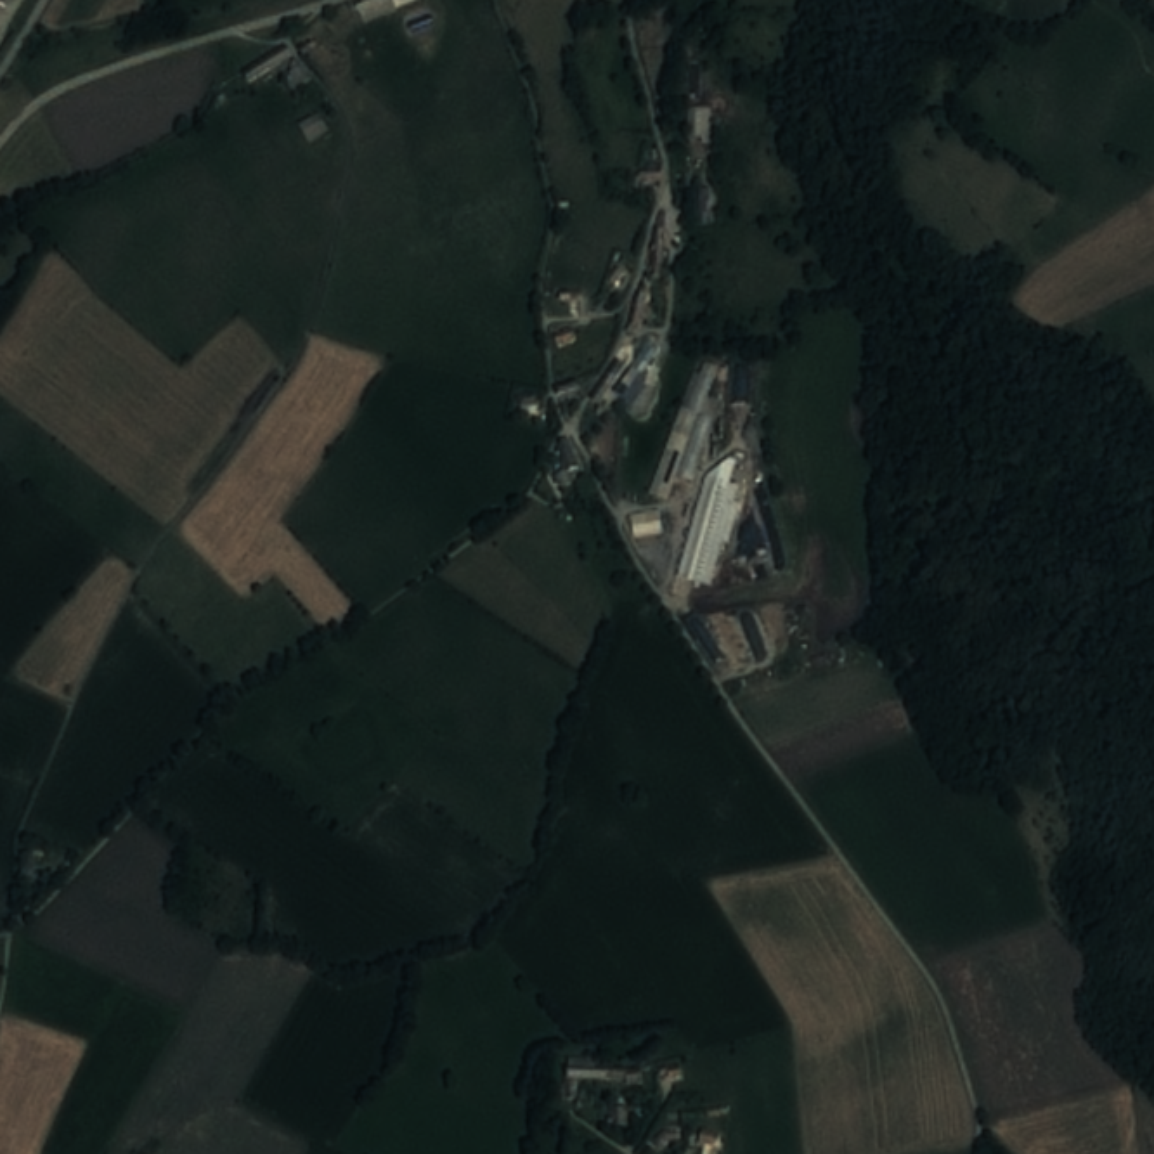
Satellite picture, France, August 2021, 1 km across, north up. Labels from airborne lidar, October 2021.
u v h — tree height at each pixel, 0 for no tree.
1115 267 0
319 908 0
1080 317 0
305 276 0
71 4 0
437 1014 0
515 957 0
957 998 0
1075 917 9
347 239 0
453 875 0
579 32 22
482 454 0
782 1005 0
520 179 0
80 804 0
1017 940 0
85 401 0
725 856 0
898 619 30
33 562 0
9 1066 0
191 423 0
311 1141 0
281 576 0
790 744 0
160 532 0
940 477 19
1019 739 15
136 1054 0
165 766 12
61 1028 0
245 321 0
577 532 0
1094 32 0
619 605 0
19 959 0
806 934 0
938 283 18
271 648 0
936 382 27
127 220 0
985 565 26
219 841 0
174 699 0
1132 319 0
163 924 0
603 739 0
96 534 0
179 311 0
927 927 0
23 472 0
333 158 0
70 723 0
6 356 0
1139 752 21
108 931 0
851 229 29
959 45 19
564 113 0
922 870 0
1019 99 0
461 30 0
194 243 0
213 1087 0
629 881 0
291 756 0
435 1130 0
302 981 0
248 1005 0
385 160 0
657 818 0
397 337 0
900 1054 0
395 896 0
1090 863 16
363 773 0
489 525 17
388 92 0
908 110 12
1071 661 20
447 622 0
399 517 0
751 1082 0
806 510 0
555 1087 16
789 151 17
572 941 0
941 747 21
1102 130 0
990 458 19
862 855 0
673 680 0
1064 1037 0
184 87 0
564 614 0
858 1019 0
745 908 0
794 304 17
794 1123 0
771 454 15
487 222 0
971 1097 0
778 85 7
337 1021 0
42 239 16
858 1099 0
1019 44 16
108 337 0
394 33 0
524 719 0
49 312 0
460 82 0
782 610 0
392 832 0
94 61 0
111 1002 0
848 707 0
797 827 0
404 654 0
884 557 25
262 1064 0
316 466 0
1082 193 0
